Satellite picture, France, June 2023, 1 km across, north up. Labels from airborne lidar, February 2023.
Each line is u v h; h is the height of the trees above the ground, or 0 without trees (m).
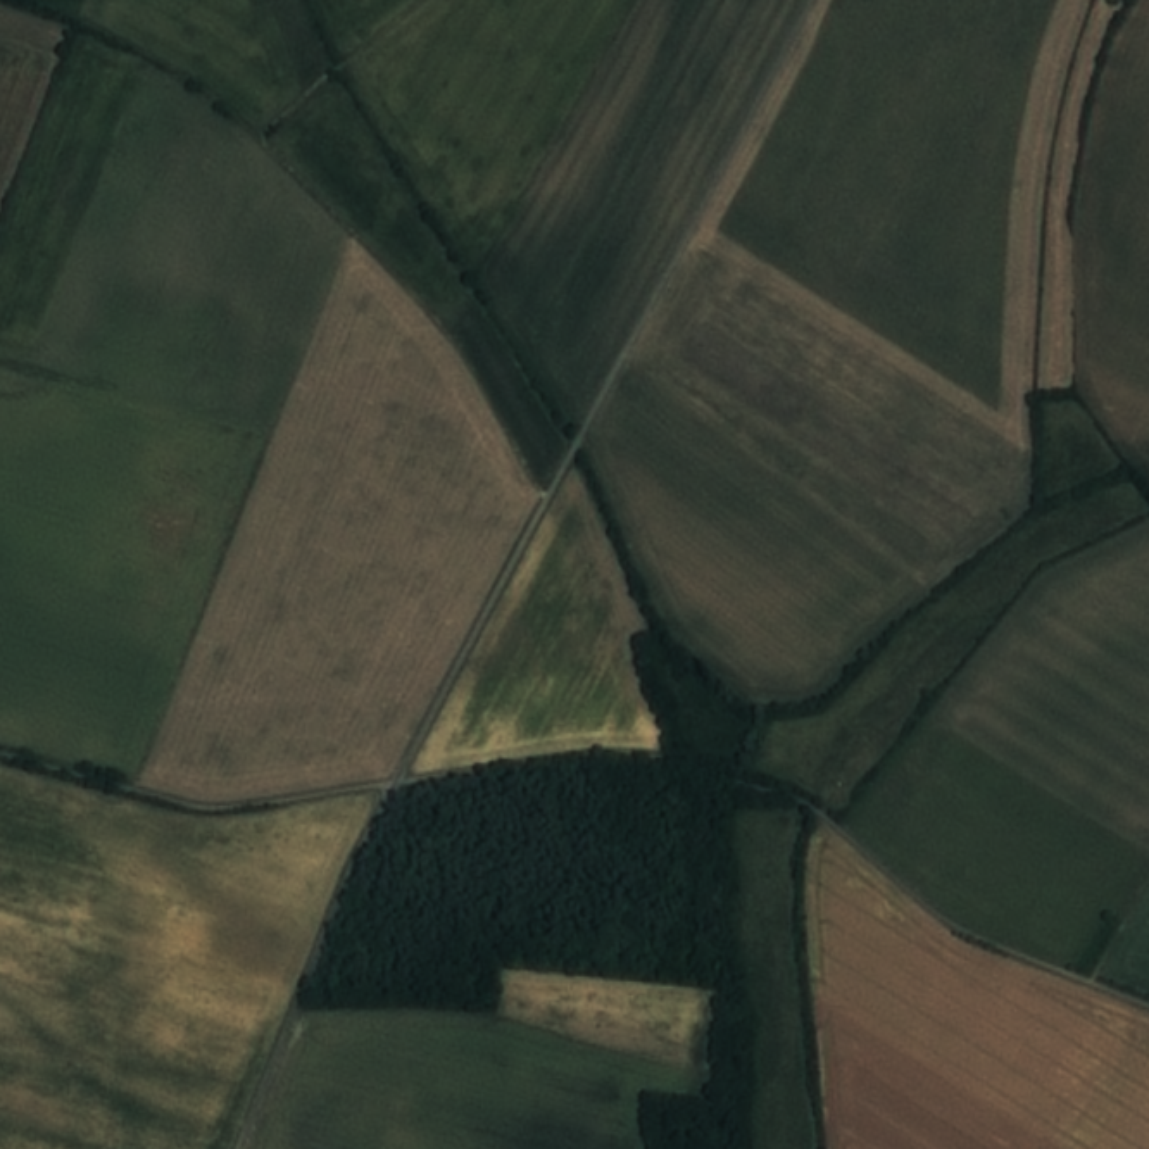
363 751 0
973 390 0
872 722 0
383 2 0
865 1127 0
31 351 0
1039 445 6
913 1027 0
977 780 0
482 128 0
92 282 0
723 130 0
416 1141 0
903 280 0
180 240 0
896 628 8
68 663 0
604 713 0
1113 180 0
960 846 0
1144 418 0
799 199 0
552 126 0
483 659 0
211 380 0
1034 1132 0
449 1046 0
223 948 0
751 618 0
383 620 0
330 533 0
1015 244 0
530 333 0
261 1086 0
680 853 18
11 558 0
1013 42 0
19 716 0
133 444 0
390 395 0
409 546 0
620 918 20
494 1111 0
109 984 0
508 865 25
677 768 19
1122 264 0
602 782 20
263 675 0
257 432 0
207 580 0
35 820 0
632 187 0
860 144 0
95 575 0
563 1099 0
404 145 0
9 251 0
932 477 0
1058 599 0
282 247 0
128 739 0
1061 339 0
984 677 0
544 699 0
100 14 0
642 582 13
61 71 6
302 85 0
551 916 23
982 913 0
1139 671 0
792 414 0
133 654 0
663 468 0
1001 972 0
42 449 0
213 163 0
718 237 0
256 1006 0
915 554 0
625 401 0
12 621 0
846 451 0
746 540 0
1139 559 0
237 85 0
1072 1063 0
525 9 0
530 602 0
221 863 0
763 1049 0
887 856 0
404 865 21
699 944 17
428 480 0
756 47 0
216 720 0
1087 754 0
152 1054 0
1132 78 0
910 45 0
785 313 0
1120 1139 0
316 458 0
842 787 0
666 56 0
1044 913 0
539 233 0
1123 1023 0
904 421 0
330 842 0
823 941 0
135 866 0
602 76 0
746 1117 16
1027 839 0
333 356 0
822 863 0
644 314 0
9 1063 0
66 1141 0
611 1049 0
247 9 0
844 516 0
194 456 0
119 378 0
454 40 0
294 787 0
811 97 0
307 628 0
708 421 0
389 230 0
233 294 0
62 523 0
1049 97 0
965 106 0
